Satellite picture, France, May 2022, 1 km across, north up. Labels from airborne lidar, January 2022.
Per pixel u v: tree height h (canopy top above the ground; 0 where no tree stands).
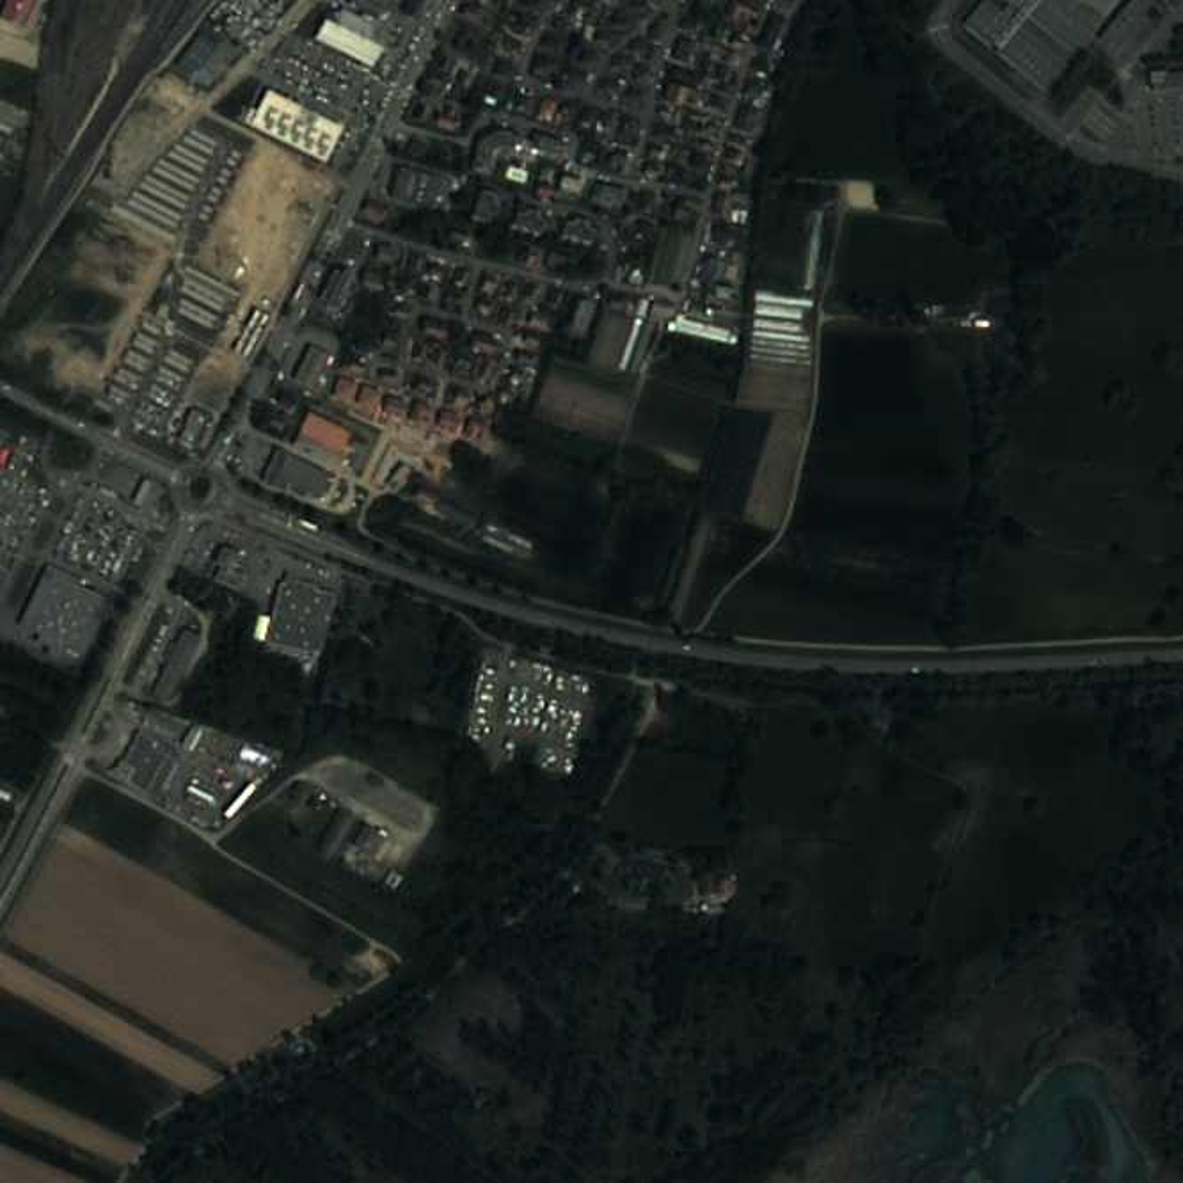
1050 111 0
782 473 0
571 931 14
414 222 17
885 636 0
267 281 0
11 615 0
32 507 0
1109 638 0
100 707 0
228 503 0
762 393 0
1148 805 0
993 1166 0
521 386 6
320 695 9
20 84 0
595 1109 23
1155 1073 8
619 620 0
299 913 0
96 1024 0
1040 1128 0
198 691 6
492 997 0
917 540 0
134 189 0
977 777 0
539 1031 21
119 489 0
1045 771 0
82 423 0
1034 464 0
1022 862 0
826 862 0
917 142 16
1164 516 0
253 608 9
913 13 18
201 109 0
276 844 0
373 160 0
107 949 0
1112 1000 6
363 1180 0
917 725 14
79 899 0
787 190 11
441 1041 0
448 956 6
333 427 0
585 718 0
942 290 0
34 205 0
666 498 0
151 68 0
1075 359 0
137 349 0
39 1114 0
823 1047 21
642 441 0
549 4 0
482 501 0
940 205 8
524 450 6
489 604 0
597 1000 6
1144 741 14
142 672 0
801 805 0
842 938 0
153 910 0
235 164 0
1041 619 0
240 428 0
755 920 0
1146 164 0
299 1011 0
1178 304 0
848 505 0
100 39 0
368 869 0
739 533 0
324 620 0
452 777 15
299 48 0
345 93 0
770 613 0
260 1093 7
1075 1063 0
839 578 0
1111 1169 0
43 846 0
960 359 0
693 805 0
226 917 0
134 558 0
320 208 0
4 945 0
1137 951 9
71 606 0
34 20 0
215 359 0
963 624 17
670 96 0
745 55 0
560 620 0
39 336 0
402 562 10
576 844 17
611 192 0
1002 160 14
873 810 0
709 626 0
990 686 11
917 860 0
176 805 0
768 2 0
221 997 0
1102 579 0
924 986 14
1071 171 10
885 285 0
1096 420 0
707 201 0
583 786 11
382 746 0
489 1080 0
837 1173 0
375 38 0
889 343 0
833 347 0
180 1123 14
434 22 0
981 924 0
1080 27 0
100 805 0
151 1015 0
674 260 0
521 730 0
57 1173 0
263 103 0
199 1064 0
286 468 0
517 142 0
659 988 23
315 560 0
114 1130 0
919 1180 0
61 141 0
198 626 0
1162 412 0
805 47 11
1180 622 0
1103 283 0
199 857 0
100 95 0
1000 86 0
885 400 0
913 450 0
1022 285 18
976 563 15
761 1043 0
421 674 0
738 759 13
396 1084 11
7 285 0
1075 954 0
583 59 0
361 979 0
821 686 15
